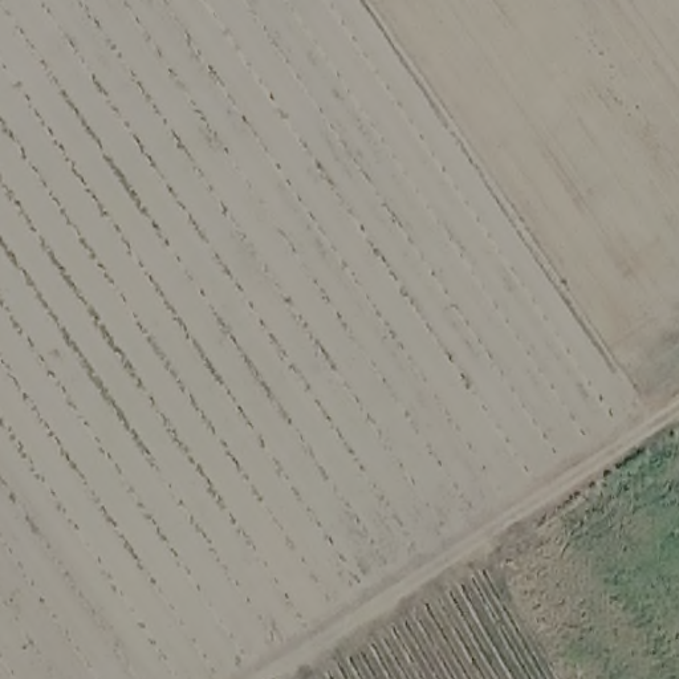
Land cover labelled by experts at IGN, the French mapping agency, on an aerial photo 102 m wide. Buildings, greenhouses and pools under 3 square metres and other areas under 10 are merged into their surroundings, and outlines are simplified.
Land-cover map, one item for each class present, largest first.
<instances>
[{"label":"agricultural land","instance_id":"1","mask_svg":"<svg viewBox=\"0 0 679 679\"><path fill-rule=\"evenodd\" d=\"M634 395H639L647 403L650 411H655L679 395V0H0V679H284L297 674L302 666H313L318 655L334 650L347 634H353L361 626H369L379 615H390L403 597L419 591L427 581L467 560H485L488 565H493L488 581L507 584L517 615H523L528 629L538 634L544 645V658L554 679H679V419L650 435L642 446L631 448L615 464L591 475L586 483H578L570 493L544 507L538 515H530L504 528L499 515L536 493L538 488H544V472L554 469L562 459L584 451L586 446L599 443L613 427L623 424L631 416Z\"/></svg>","mask_w":679,"mask_h":679},{"label":"vineyard","instance_id":"2","mask_svg":"<svg viewBox=\"0 0 679 679\"><path fill-rule=\"evenodd\" d=\"M493 565H488L485 560H467L427 581L419 591L403 597L390 615H379L369 626H361L353 634H347L334 650L318 655L313 666H302L297 674L284 679H554L544 658V645L538 634L528 629L523 615H517L507 584L488 581Z\"/></svg>","mask_w":679,"mask_h":679},{"label":"pervious surface","instance_id":"3","mask_svg":"<svg viewBox=\"0 0 679 679\"><path fill-rule=\"evenodd\" d=\"M679 419V395L655 411H650L647 403L639 395H634L631 416L623 424L613 427L599 443L586 446L584 451L562 459L554 469L544 472V488H538L536 493L499 515L504 528L530 515H538L544 507L570 493L578 483H586L591 475L615 464L631 448L642 446L650 435Z\"/></svg>","mask_w":679,"mask_h":679}]
</instances>
